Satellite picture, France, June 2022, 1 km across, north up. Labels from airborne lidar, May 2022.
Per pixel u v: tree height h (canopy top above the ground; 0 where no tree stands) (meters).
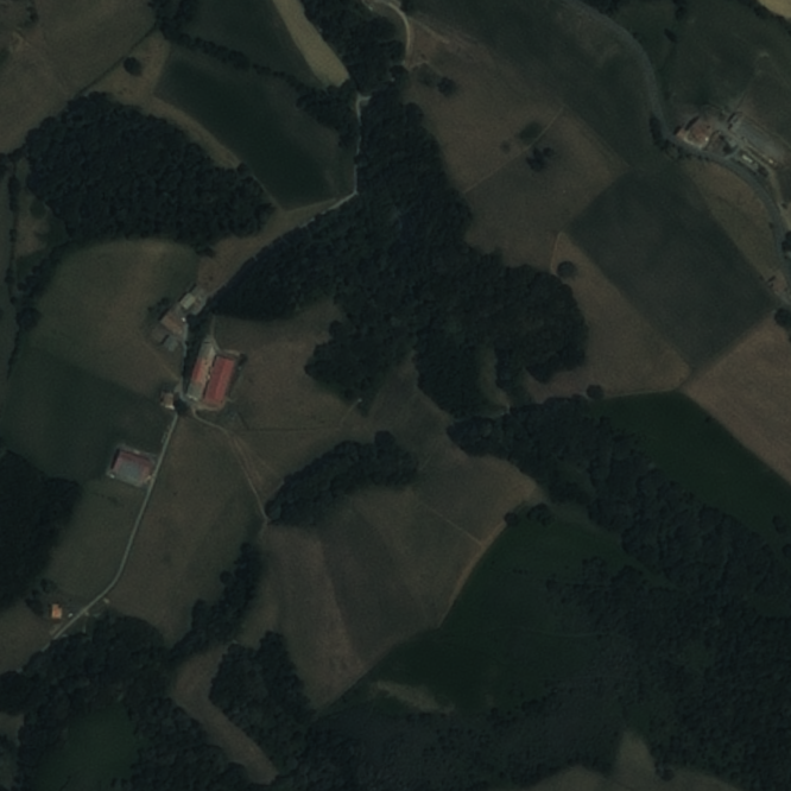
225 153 0
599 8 15
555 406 24
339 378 22
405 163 20
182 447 0
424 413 0
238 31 0
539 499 0
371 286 27
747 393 0
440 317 20
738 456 0
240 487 0
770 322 0
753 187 0
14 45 0
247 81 0
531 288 16
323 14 24
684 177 0
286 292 21
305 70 0
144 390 0
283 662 9
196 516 0
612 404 0
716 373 0
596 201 0
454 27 0
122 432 0
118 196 10
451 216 11
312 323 0
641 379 0
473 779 7
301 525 10
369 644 0
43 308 0
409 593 0
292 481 22
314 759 15
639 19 0
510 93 0
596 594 11
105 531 0
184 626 0
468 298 14
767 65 0
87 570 0
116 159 27
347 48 13
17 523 28
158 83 0
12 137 0
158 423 0
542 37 0
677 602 12
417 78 0
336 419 0
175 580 0
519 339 21
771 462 0
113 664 30
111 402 0
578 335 22
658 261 0
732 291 0
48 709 26
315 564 0
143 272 0
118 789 10
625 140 0
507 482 0
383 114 19
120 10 0
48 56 0
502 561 0
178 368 0
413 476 16
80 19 0
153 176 21
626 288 0
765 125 0
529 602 0
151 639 23
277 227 0
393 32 16
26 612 0
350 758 17
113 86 0
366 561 0
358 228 9
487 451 14
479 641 0
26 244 0
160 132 25
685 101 0
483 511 0
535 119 0
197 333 17
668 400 0
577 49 0
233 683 12
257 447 0
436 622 0
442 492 0
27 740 21
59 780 0
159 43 0
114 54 0
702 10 0
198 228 11
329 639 0
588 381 0
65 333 0
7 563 25
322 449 0
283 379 0
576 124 0
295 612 0
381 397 0
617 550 0
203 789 11
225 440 0
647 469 12
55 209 26
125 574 0
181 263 0
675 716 8
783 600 8
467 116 0
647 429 0
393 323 27
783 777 9
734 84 0
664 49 0
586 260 0
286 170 0
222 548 0
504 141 0
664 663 8
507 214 0
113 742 0
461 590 0
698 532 13
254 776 0
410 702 0
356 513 0
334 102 17
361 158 13
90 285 0
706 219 0
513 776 7
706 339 0
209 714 0
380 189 23
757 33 0
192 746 11
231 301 21
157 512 0
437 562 0
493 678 0
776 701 16
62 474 0
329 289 18
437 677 0
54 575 0
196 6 15
